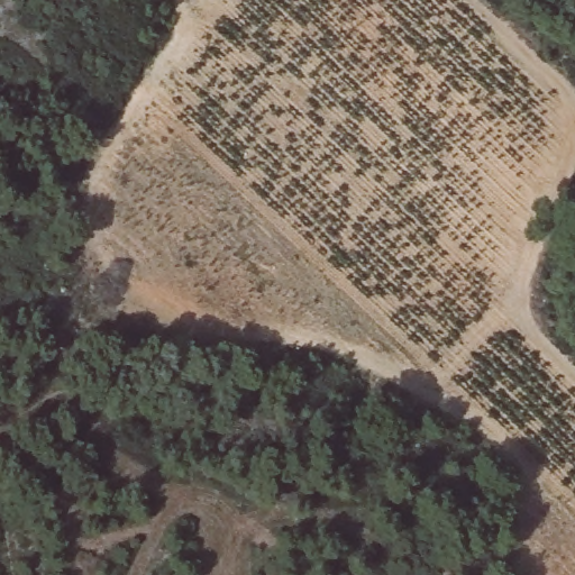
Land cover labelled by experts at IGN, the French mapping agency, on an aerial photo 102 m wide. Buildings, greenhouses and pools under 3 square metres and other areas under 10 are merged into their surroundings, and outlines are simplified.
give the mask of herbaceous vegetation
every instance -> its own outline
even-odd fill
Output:
[[[106,553],[119,541],[126,541],[135,535],[146,535],[144,548],[137,553],[126,575],[150,575],[155,566],[164,564],[171,557],[171,553],[162,548],[162,537],[182,514],[195,514],[200,519],[200,537],[204,539],[204,548],[218,555],[218,564],[209,575],[252,575],[252,557],[247,548],[243,548],[243,541],[252,537],[256,544],[274,546],[276,539],[256,519],[238,512],[234,503],[225,499],[218,490],[200,483],[164,483],[166,503],[146,523],[126,526],[90,539],[79,539],[81,548]]]

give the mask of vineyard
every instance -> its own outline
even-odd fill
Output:
[[[97,332],[119,337],[121,355],[128,355],[133,348],[144,348],[144,341],[148,337],[159,337],[159,341],[173,344],[177,348],[177,357],[189,355],[191,346],[207,348],[227,341],[254,350],[252,366],[258,366],[261,371],[272,371],[279,364],[285,364],[288,368],[301,373],[301,377],[308,382],[314,382],[317,377],[326,375],[337,353],[350,353],[362,371],[368,371],[386,380],[395,377],[407,391],[420,395],[422,400],[440,402],[440,407],[451,416],[478,418],[481,431],[494,442],[503,442],[508,438],[530,440],[535,447],[546,451],[546,465],[537,481],[541,499],[548,503],[548,514],[544,523],[526,541],[537,562],[546,566],[546,575],[575,575],[575,364],[546,337],[532,312],[532,279],[544,254],[544,243],[530,240],[526,236],[526,229],[528,222],[535,218],[535,200],[557,200],[557,193],[564,191],[568,200],[575,202],[575,88],[562,72],[557,72],[555,65],[541,61],[523,38],[519,38],[514,27],[501,18],[494,27],[490,27],[481,16],[476,16],[476,11],[469,4],[460,0],[182,0],[177,4],[177,22],[171,40],[155,56],[142,83],[135,88],[124,110],[119,133],[108,142],[108,146],[103,146],[97,153],[94,168],[88,177],[88,193],[110,198],[115,202],[115,218],[110,227],[94,231],[94,236],[88,240],[83,252],[83,274],[97,279],[101,272],[110,267],[115,258],[133,258],[130,283],[128,292],[124,294],[126,312],[117,314],[115,319],[103,319],[97,326]]]

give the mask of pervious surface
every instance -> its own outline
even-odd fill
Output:
[[[476,16],[481,16],[490,27],[494,27],[501,18],[492,11],[492,7],[485,0],[460,0],[469,4],[476,11]]]

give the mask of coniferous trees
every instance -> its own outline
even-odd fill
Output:
[[[546,16],[564,18],[571,25],[571,34],[575,36],[575,0],[535,0]]]
[[[288,368],[285,364],[279,364],[272,371],[261,371],[258,366],[252,366],[254,350],[227,341],[207,348],[191,346],[189,355],[177,357],[177,348],[173,344],[159,341],[159,337],[148,337],[144,341],[144,348],[133,348],[128,355],[121,355],[119,337],[97,332],[97,326],[103,319],[115,319],[117,314],[126,312],[124,294],[128,292],[130,283],[133,258],[115,258],[110,267],[101,272],[97,279],[83,274],[83,252],[88,240],[94,236],[94,231],[110,227],[115,218],[115,202],[110,198],[88,193],[88,177],[94,168],[97,153],[103,146],[108,146],[108,142],[119,133],[124,110],[135,88],[142,83],[155,56],[171,40],[177,22],[177,4],[182,0],[0,0],[0,575],[126,575],[137,553],[144,548],[146,535],[135,535],[126,541],[119,541],[106,553],[81,548],[79,539],[90,539],[126,526],[146,523],[166,503],[164,483],[200,483],[218,490],[225,499],[234,503],[238,512],[256,519],[276,539],[281,535],[288,535],[294,575],[546,575],[546,566],[537,562],[526,541],[544,523],[548,514],[548,503],[541,499],[537,481],[546,465],[546,451],[535,447],[530,440],[508,438],[503,442],[494,442],[481,431],[478,418],[451,416],[440,407],[440,402],[422,400],[420,395],[407,391],[395,377],[386,380],[368,371],[362,371],[350,353],[337,353],[326,375],[317,377],[314,382],[308,382],[301,377],[301,373]]]

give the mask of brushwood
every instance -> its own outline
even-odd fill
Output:
[[[171,553],[171,557],[164,564],[155,566],[150,575],[209,575],[218,564],[218,555],[204,548],[204,539],[200,537],[200,519],[195,514],[182,514],[162,537],[162,548]]]
[[[528,222],[526,229],[526,236],[530,240],[544,243],[544,254],[532,279],[532,312],[546,337],[575,364],[575,202],[568,200],[564,191],[557,193],[557,200],[535,200],[535,218]]]
[[[281,535],[276,539],[274,546],[256,544],[252,537],[243,541],[243,548],[247,548],[252,557],[252,575],[294,575],[288,535]]]
[[[519,38],[523,38],[541,61],[555,65],[557,72],[562,72],[575,88],[575,36],[571,34],[571,25],[564,18],[546,16],[535,0],[485,0],[492,7],[492,11],[501,18],[514,27]]]

